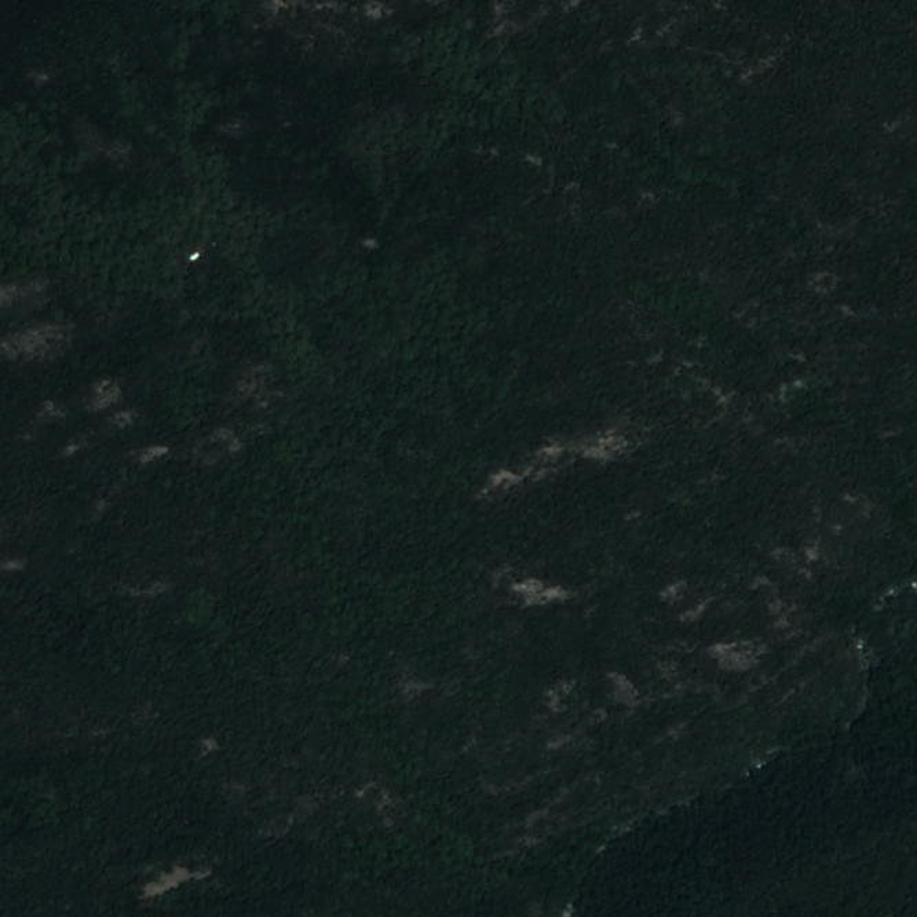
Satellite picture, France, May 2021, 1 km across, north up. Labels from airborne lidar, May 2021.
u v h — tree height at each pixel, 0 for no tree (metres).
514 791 9
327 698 13
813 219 7
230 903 12
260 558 8
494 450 8
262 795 8
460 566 10
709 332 14
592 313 9
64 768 9
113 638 13
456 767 11
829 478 6
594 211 9
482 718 6
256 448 12
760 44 6
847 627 13
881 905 14
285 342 19
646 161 10
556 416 11
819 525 6
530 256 7
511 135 9
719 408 7
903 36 8
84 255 15
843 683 8
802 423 11
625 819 6
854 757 7
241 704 11
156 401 10
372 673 13
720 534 10
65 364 8
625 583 8
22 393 9
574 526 8
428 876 10
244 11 7
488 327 7
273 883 15
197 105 11
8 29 9
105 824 12
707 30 7
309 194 6
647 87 8
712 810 20
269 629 13
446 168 6
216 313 9
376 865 13
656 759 6
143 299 7
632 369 11
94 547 11
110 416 7
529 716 7
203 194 10
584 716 11
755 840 18
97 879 10
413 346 16
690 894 14
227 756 13
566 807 7
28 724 6
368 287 13
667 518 9
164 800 10
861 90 5
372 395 11
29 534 12
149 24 7
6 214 13
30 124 13
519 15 6
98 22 13
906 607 6
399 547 10
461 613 7
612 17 6
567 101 9
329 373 9
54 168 18
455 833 13
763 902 9
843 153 9
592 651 9
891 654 7
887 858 13
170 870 10
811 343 6
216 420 10
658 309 12
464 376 14
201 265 7
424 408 8
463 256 14
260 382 6
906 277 5
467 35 8
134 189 7
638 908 11
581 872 20
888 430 9
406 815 6
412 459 8
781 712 9
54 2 9
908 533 9
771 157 9
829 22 9
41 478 13
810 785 16
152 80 9
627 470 13
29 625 14
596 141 6
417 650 10
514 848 10
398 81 8
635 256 6
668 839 16
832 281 9
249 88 14
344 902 10
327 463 12
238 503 11
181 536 7
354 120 9
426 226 9
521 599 7
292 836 10
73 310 6
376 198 10
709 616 11
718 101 9
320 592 7
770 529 13
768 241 13
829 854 12
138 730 8
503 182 8
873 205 9
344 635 10
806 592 6
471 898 11
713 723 11
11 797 10
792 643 6
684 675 8
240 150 7
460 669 12
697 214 5
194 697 13
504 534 6
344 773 7
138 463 8
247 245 9
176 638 8
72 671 8
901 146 8
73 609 14
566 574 8
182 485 9
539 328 7
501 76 14
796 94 11
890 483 7
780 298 7
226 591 7
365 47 7
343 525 6
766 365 8
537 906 6
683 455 9
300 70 6
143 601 8
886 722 17
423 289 13
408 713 12
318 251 6
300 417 18
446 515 11
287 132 7
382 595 11
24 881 9
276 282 10
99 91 8
